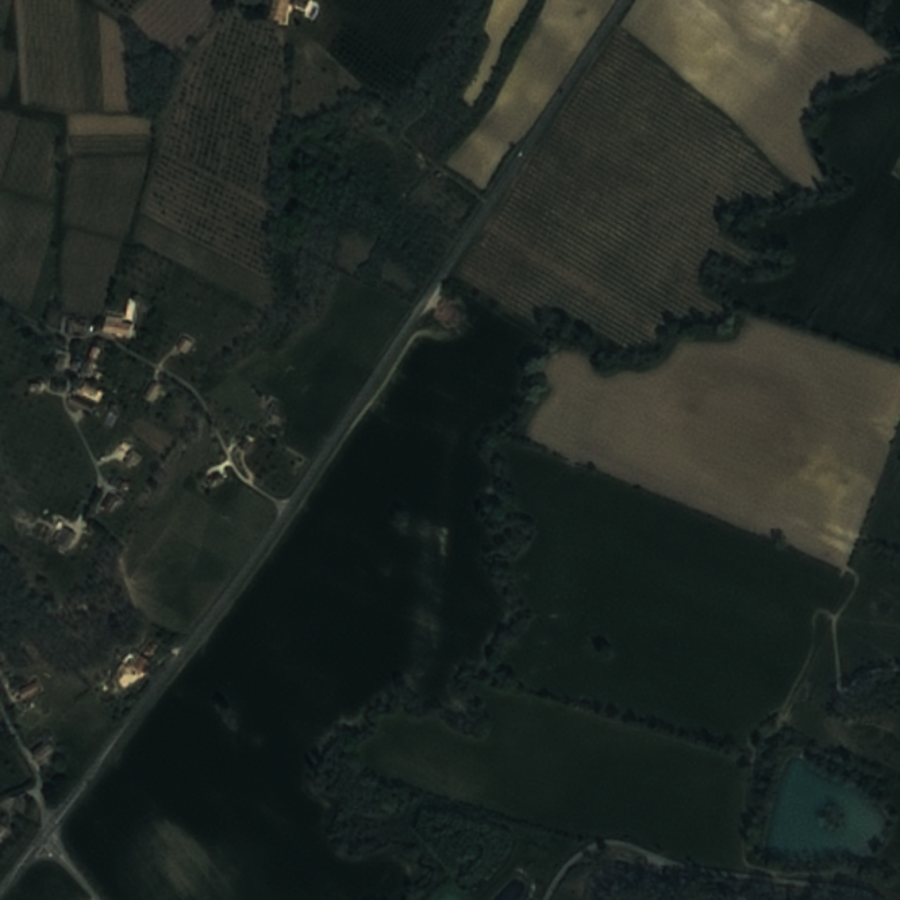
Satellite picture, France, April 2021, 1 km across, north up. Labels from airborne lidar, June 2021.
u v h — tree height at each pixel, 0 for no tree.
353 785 18
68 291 0
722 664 0
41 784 0
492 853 14
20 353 11
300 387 0
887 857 0
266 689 0
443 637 0
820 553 0
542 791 0
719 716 0
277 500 0
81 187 0
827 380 0
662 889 21
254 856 0
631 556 0
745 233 19
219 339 0
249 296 0
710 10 0
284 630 0
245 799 0
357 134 11
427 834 19
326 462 0
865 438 0
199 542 0
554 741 0
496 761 0
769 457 0
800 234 0
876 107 0
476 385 0
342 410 0
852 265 0
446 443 0
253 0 0
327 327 0
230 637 0
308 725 0
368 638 0
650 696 0
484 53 21
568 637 0
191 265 0
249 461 0
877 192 0
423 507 0
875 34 10
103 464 0
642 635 0
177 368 0
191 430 12
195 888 0
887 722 0
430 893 10
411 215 9
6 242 0
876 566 0
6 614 20
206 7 0
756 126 0
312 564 0
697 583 0
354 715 0
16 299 0
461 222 9
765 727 11
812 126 19
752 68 0
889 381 0
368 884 0
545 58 0
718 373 0
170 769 0
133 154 0
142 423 0
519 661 0
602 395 0
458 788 0
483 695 0
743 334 0
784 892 9
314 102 0
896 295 0
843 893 20
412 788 9
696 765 0
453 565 0
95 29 0
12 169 0
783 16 0
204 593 0
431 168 11
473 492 0
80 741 0
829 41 0
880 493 0
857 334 0
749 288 0
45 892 0
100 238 0
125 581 0
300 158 11
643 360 15
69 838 0
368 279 8
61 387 11
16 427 0
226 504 0
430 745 0
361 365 0
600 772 0
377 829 12
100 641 17
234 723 0
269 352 6
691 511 0
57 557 0
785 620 0
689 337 16
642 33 0
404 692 25
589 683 0
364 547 0
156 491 14
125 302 0
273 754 0
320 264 17
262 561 0
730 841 0
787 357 0
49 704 0
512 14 0
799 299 0
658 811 0
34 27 0
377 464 0
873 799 16
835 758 12
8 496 8
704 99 0
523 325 0
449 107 19
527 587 0
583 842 7
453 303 0
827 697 0
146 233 0
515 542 18
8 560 17
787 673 0
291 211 16
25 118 0
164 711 0
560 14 0
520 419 13
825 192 15
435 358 0
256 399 0
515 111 0
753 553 0
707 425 0
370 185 14
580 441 0
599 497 0
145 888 0
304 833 0
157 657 11
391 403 0
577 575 0
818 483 0
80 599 14
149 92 20
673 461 0
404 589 0
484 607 0
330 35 0
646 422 0
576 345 13
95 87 0
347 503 0
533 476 0
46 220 0
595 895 0
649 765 0
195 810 0
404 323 0
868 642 0
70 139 0
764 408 0
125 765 0
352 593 0
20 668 8
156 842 0
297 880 0
